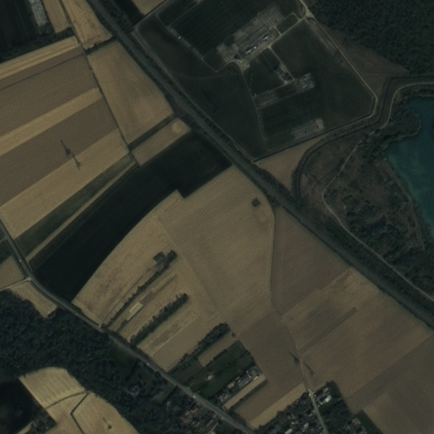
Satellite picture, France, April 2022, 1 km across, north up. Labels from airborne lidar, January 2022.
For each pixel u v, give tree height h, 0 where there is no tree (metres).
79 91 0
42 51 0
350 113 0
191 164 0
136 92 0
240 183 0
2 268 0
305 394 5
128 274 0
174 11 0
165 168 0
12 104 0
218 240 0
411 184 0
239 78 0
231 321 0
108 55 0
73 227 0
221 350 0
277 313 0
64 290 0
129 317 0
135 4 0
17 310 26
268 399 0
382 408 0
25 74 0
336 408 9
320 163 0
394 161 0
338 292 0
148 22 0
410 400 0
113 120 0
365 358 0
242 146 0
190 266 0
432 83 0
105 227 0
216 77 0
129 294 0
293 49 0
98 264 0
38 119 0
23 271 0
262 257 0
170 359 0
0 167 0
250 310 0
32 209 0
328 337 0
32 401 0
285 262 0
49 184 0
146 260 0
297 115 0
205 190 0
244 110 0
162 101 0
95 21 0
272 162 0
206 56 0
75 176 0
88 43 0
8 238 0
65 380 0
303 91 0
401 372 0
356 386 0
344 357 0
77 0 0
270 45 0
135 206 0
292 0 0
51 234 0
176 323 0
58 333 24
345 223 0
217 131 13
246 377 0
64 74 0
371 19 19
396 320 0
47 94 0
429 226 0
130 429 0
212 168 0
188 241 0
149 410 12
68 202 0
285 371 0
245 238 0
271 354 0
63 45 0
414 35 15
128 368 0
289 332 0
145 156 0
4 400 0
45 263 0
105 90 0
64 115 0
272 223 0
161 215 0
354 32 14
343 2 16
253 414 0
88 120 0
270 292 0
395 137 14
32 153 0
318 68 0
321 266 0
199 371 0
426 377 0
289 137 0
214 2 0
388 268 8
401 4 16
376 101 0
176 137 0
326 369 0
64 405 0
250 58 0
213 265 0
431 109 0
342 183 0
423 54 16
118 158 0
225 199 0
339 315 0
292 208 0
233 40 0
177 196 0
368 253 10
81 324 30
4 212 0
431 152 0
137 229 0
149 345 0
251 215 0
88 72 0
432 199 0
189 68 0
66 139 0
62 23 0
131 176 0
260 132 0
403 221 0
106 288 0
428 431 0
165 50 0
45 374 0
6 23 0
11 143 0
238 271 0
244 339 0
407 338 0
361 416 0
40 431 9
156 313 0
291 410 12
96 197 0
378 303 0
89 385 20
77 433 0
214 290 0
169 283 0
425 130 0
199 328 0
